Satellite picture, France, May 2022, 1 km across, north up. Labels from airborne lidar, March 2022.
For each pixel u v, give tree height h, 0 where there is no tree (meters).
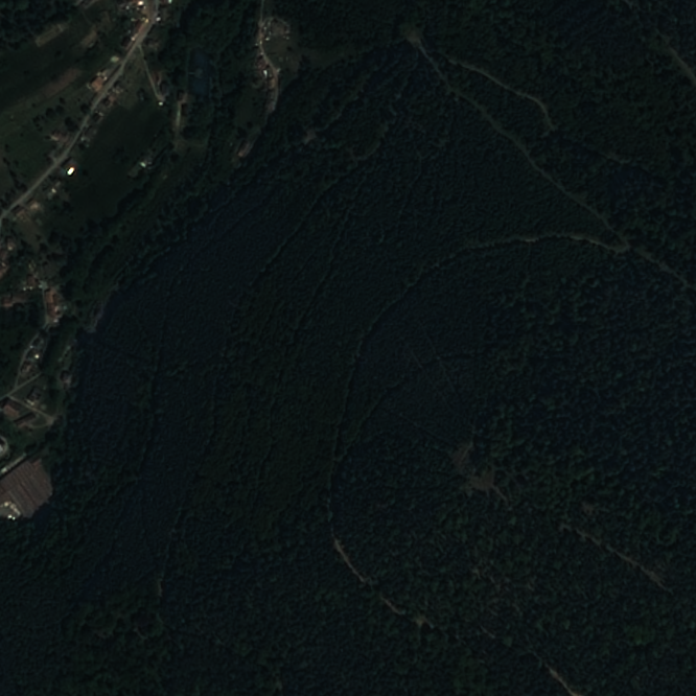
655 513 13
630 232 28
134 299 21
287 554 29
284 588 29
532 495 18
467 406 18
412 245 16
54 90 0
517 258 10
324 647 27
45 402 0
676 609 17
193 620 29
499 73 14
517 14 25
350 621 26
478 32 12
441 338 18
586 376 26
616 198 39
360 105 10
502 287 11
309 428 10
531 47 24
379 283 18
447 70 23
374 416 17
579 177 8
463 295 17
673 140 15
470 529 19
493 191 12
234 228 23
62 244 9
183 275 21
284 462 9
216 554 23
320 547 24
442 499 16
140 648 21
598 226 12
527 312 27
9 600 13
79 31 0
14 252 0
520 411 33
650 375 31
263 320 11
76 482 21
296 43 0
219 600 32
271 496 14
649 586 15
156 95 0
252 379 16
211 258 21
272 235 21
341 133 13
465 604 26
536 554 22
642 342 30
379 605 25
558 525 14
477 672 30
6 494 0
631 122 15
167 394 19
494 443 28
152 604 20
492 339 22
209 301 19
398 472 23
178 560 17
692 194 35
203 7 24
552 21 20
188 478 21
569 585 24
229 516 21
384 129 0
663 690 27
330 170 17
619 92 20
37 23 25
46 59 0
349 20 7
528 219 9
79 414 24
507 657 31
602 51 34
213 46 24
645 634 24
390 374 19
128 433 28
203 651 28
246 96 0
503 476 17
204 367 22
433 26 12
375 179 7
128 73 0
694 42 28
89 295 18
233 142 0
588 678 22
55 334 10
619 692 24
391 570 23
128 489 12
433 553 24
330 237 12
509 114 14
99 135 0
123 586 19
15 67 0
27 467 0
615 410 32
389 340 19
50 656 14
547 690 26
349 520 20
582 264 6
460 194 12
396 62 33
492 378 14
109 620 20
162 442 21
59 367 15
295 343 11
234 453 15
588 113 21
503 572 22
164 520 20
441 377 20
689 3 32
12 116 0
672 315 30
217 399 19
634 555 15
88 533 10
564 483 27
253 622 28
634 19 41
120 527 19
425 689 33
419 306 16
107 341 20
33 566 23
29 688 12
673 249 32
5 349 0
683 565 18
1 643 28
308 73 11
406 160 13
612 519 13
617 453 27
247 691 34
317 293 14
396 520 24
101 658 12
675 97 16
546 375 11
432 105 14
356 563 19
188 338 22
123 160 10
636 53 35
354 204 14
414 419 13
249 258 20
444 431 11
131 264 23
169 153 20
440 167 12
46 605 16
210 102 19
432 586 24
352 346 15
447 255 16
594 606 24
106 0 0
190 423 22
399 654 27
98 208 0
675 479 29
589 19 37
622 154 14
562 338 28
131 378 32
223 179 0
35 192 0
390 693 24
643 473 34
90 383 32
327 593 21
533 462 21
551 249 11
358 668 24
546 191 12
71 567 10
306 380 13
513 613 26
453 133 15
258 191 23
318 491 17
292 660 22
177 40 29
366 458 24
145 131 0
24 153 0
